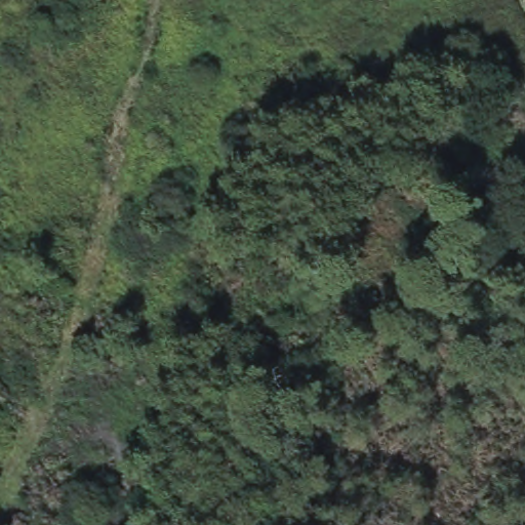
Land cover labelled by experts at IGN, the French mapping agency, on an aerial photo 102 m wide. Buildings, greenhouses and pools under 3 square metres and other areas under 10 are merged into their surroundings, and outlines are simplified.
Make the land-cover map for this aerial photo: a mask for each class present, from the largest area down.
<instances>
[{"label":"coniferous trees","instance_id":"1","mask_svg":"<svg viewBox=\"0 0 525 525\"><path fill-rule=\"evenodd\" d=\"M447 45L478 55V37L466 31L455 37H447ZM466 84V74L461 68L455 66L451 53L433 51L429 55H414L408 64H396L388 84L369 78L367 84L349 88L340 96H320L314 103L301 100L293 111L279 107L267 109L258 115H250V154L244 160H240V156L234 150H230L224 166L226 178H219V189H224L228 197L238 199L240 207L236 211H213L211 215L215 228L221 234H230L236 244H242V238L271 240L293 252L301 263L310 267L314 258L322 254V248L314 246L312 238L357 232V221L363 217L369 219L371 226L379 219V195L386 191V185H394L398 191L414 195L416 201L429 211L431 219L439 221L437 230L431 232L425 242V246L433 254L427 258H416V267L404 269L398 279L394 277V273H383V287H363L355 283L353 289L345 291L338 301V308L342 310L345 318L336 324L332 332V342H328L326 347H322V338L318 336H314L312 342L304 345H291L281 338L277 342L256 345L252 336H240L234 330H228L224 324L203 322L197 334L178 336L174 340V367H158L160 396L154 400V406L146 410L139 422L129 431L127 443L115 439L109 425L74 422L68 425L70 435L64 441L41 437L35 453L27 459L29 468L27 474L21 478L23 488L18 490L16 502L10 509L0 507V525H525V254L513 248L494 263L492 269H488V273L476 275L472 269L476 260L472 256V246L484 238V228L468 221V213L472 209L482 207V201H468V195L459 191L455 185L441 183V168L439 162H435L437 150L443 146V142H447L451 135L461 133L459 123H463V94L459 86Z\"/></svg>","mask_w":525,"mask_h":525},{"label":"herbaceous vegetation","instance_id":"2","mask_svg":"<svg viewBox=\"0 0 525 525\"><path fill-rule=\"evenodd\" d=\"M466 31L478 37V55L447 45V37H455ZM306 51H316L324 66L330 68L340 57V53H355L361 57L353 64L355 76L369 78L388 84L396 64H408L414 55H429L433 51L451 53L455 66L461 68L466 74H470L474 66L492 64L496 68H507L519 84L525 82V0H0V507L10 509L16 502L18 490L23 488L21 478L27 474L29 468L27 459L35 453L41 437L64 441L70 435L68 425L74 422L109 425L115 439L127 443L129 431L139 422L146 410L154 406V400L160 396L158 367H174V340L178 336L197 334L203 322L224 324L228 330H234L240 336H252L256 345L277 342L281 338L291 345H304L312 342L314 336H318L322 338V347H326L328 342H332V332L336 324L345 318L342 310L338 308V301L345 291L353 289L355 283L363 287H383V273H394V277L398 279L404 269L416 267V258H427L433 254L425 246V242L431 232L437 230L439 221L431 219L429 211L416 201L414 195L398 191L394 185H386V191L379 195V219L371 226L369 219L363 217L357 221V232L312 238L314 246L322 248V254L314 258L310 267L301 263L293 252L271 240L242 238V244H236L230 234H221L215 228L211 215L213 211H236L240 207L238 199L228 197L224 189H219V178H226L224 166L230 150L221 144L219 137L221 121L238 107H252L256 98L265 92L267 84L281 74L283 62L295 59ZM201 53L217 55L221 66L217 70L205 66L193 68L189 59ZM174 166L195 168L193 189L205 191L203 203L187 209V215L193 217L189 244H180L168 258H164V269L160 265H152L148 275L139 277L133 273L135 260L125 256L117 260V250L109 248L111 228L119 217V203L127 193H131L137 201H144L152 189V178L158 172ZM498 125L509 127L515 135V139L509 146H504L502 154L511 160H519L525 166V90L523 100L519 105H511L507 117L498 119ZM435 162H439L441 168V183L455 185L459 191L468 195V201H482V207L472 209L468 213V221L484 228L488 224V217L492 215V201L488 197V191L494 185L496 176L486 150L480 144L470 142L461 133L451 135L447 142H443V146L437 150Z\"/></svg>","mask_w":525,"mask_h":525},{"label":"brushwood","instance_id":"3","mask_svg":"<svg viewBox=\"0 0 525 525\"><path fill-rule=\"evenodd\" d=\"M361 57L355 53H340V57L330 68L324 66L316 51H306L295 59L283 62L281 74L267 84L265 92L256 98L252 107H238L221 121L219 137L221 144L230 150H234L240 156V160H244L250 154V115H258L267 109L279 107L293 111L301 100L314 103L320 96H340L349 88L367 84L369 78L355 76L353 64ZM193 68L205 66L217 70L221 66L217 55L201 53L189 59ZM195 168L174 166L158 172L152 178V189L144 201H137L131 193H127L119 203V217L111 228L109 248L117 250V260L125 256L135 260L133 273L139 277L148 275L152 265H160L164 269V258H168L180 244H189L193 217L187 215V209L203 203L205 191L193 189Z\"/></svg>","mask_w":525,"mask_h":525},{"label":"deciduous trees","instance_id":"4","mask_svg":"<svg viewBox=\"0 0 525 525\"><path fill-rule=\"evenodd\" d=\"M463 94V123H459L461 133L470 142L480 144L486 150L496 176L494 185L488 191V197L492 201V215L488 217V224L484 228V238L472 246V256L476 260L472 269L476 275L488 273V269H492L494 263L513 248L525 254V166L519 160H511L502 154L504 146H509L515 139V135L509 127L498 125V119L507 117L511 105H519L523 100L525 90V82L519 84L507 68H496L492 64L474 66L470 74H466V84L459 86Z\"/></svg>","mask_w":525,"mask_h":525}]
</instances>
